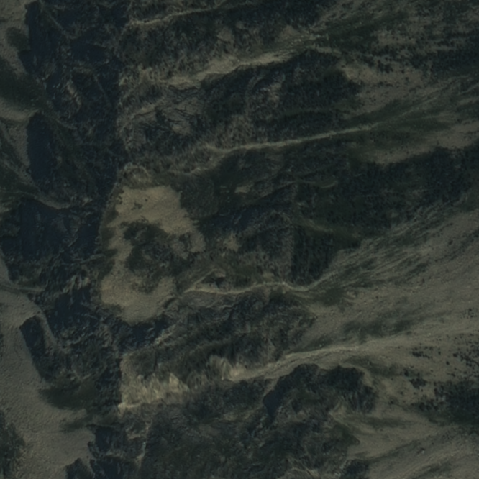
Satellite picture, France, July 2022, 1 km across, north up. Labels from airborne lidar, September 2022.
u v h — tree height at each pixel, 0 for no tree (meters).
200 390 0
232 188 0
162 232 0
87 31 0
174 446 0
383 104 0
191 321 0
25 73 0
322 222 0
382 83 6
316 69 8
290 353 0
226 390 0
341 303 0
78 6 10
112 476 0
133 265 0
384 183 9
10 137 0
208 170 0
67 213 0
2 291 0
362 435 0
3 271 0
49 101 0
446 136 0
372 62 9
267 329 0
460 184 10
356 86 12
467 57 10
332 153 7
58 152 6
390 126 0
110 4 0
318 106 11
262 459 0
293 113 0
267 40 6
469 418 0
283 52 0
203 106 0
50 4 9
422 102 0
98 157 7
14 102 0
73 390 0
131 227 0
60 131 0
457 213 0
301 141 0
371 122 0
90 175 0
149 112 0
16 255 9
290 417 0
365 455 0
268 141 7
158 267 0
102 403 0
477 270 0
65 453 0
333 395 0
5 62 0
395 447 0
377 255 0
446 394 7
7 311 0
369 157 0
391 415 0
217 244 0
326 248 7
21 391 0
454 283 0
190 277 0
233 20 0
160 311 0
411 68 0
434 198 7
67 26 9
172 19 0
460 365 0
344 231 0
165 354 0
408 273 0
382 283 0
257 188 0
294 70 7
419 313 0
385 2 0
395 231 0
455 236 0
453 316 0
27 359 0
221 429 0
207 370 11
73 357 0
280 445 0
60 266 0
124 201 0
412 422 0
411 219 6
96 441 0
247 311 8
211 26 0
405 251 0
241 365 0
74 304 0
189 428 0
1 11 0
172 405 0
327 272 0
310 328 0
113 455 0
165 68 7
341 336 0
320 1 15
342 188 7
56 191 9
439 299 0
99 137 10
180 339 0
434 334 0
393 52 10
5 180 0
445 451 0
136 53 0
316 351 0
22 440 0
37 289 0
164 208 0
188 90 0
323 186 0
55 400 0
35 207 9
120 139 8
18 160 0
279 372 0
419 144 0
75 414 0
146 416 0
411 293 0
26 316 0
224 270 0
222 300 0
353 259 0
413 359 0
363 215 7
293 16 8
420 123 0
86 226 0
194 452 0
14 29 0
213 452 0
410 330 0
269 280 0
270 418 0
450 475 0
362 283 0
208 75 0
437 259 0
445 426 0
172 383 0
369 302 0
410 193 0
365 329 0
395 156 0
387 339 0
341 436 0
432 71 7
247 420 0
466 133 0
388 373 0
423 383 9
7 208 0
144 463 0
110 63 6
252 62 0
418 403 0
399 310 0
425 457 0
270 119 0
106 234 0
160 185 0
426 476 0
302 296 0
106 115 8
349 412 0
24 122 0
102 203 7
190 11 0
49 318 0
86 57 9
